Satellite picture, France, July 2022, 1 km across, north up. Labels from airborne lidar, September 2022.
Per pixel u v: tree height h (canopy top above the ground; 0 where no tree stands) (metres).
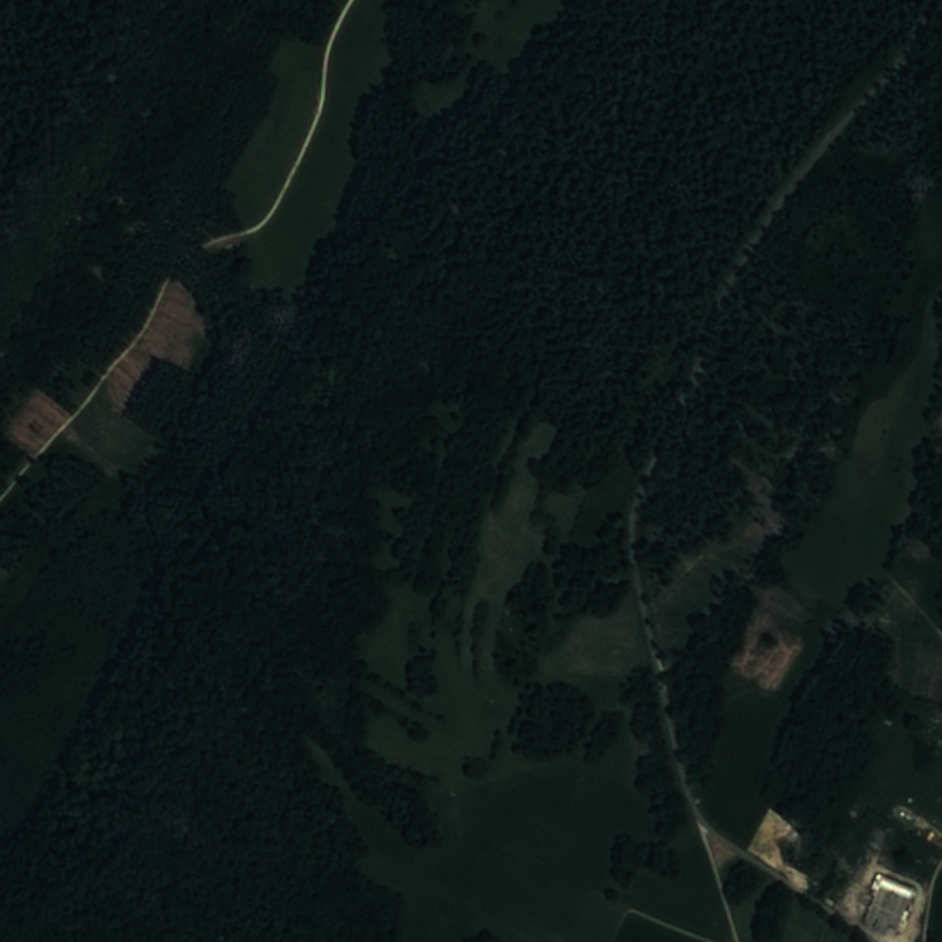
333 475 19
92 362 26
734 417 25
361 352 15
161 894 22
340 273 33
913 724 21
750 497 29
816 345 26
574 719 17
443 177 29
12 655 9
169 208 26
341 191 0
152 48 10
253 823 19
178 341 0
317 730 17
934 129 7
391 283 21
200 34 23
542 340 26
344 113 0
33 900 28
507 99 26
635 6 10
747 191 9
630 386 25
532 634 15
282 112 0
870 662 16
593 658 0
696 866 0
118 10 18
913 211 16
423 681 13
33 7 23
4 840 7
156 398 30
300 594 15
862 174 19
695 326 16
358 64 0
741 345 18
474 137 33
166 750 20
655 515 15
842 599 0
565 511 0
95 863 22
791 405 25
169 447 7
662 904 0
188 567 32
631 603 0
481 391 20
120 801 15
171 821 9
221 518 35
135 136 18
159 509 28
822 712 22
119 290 26
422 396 15
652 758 10
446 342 19
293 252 0
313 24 21
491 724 0
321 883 18
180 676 22
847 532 0
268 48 23
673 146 15
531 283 29
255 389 30
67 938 18
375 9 0
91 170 11
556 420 25
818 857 9
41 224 9
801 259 12
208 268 24
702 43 33
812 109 27
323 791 24
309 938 15
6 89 19
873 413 0
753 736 0
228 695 13
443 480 8
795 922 0
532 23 0
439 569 9
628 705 8
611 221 36
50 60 26
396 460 7
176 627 24
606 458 14
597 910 0
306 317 20
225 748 16
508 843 0
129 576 7
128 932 15
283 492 17
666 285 23
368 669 12
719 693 18
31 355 31
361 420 25
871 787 0
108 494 0
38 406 0
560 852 0
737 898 17
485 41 17
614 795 0
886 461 0
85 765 28
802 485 26
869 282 10
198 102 30
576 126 26
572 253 29
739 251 27
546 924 0
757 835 0
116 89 15
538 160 29
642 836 0
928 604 0
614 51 22
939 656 0
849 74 14
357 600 25
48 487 25
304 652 10
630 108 24
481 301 21
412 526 14
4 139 22
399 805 18
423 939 0
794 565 0
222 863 15
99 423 0
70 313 32
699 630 22
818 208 8
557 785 0
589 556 21
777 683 0
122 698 28
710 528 22
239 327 30
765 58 22
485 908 0
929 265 0
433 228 17
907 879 0
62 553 14
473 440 19
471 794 0
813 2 9
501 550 0
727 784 0
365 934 13
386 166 20
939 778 0
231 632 23
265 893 15
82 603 12
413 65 10
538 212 17
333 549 23
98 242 29
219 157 21
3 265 6
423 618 0
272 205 0
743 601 19
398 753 0
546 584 11
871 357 18
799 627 0
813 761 16
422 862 0
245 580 32
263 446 33
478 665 9
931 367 0
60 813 20
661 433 21
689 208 10
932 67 13
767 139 33
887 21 24
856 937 19
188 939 17
